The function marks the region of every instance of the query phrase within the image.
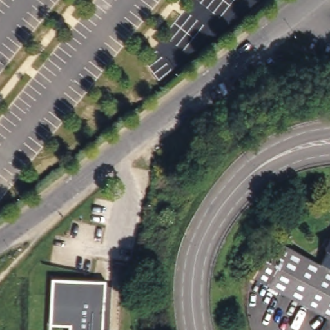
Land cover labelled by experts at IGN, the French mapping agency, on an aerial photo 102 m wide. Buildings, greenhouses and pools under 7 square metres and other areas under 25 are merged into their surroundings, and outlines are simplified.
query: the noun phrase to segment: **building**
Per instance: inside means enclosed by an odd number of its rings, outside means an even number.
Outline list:
[[[300,257],[289,249],[282,255],[280,262],[266,262],[266,269],[255,271],[250,278],[250,282],[253,282],[254,278],[262,278],[263,287],[268,290],[277,285],[282,294],[294,298],[291,308],[295,309],[299,304],[302,307],[300,311],[304,313],[313,308],[317,315],[324,315],[330,321],[330,242],[326,247],[324,262],[321,264]]]
[[[107,282],[103,281],[52,280],[49,330],[104,330]]]

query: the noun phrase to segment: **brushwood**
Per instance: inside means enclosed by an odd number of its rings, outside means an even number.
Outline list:
[[[67,173],[66,170],[59,169],[53,171],[37,188],[39,192],[45,192]]]
[[[22,284],[18,294],[21,300],[21,327],[18,330],[30,330],[30,291],[27,284]]]
[[[147,249],[156,251],[162,259],[161,266],[157,268],[157,282],[164,284],[162,290],[166,293],[173,293],[175,258],[189,222],[223,171],[245,151],[232,139],[220,143],[215,156],[205,157],[200,162],[208,165],[208,174],[205,175],[204,182],[199,180],[196,184],[175,187],[171,186],[165,177],[160,166],[156,165],[155,169],[150,170],[148,186],[139,211],[139,222],[144,227],[143,244]]]

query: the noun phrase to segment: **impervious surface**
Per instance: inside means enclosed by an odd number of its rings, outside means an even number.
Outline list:
[[[93,0],[95,13],[92,18],[85,21],[73,17],[75,6],[63,3],[62,0],[0,0],[0,75],[19,50],[24,48],[30,55],[0,92],[0,214],[6,206],[17,204],[37,188],[53,171],[59,169],[57,159],[44,150],[44,144],[50,142],[62,126],[62,120],[75,112],[75,107],[84,99],[86,92],[92,92],[94,80],[98,80],[103,73],[104,67],[115,62],[113,57],[124,49],[122,43],[128,40],[128,37],[133,37],[135,32],[141,32],[156,50],[156,62],[152,66],[152,70],[157,73],[157,81],[162,80],[165,85],[174,80],[179,73],[184,73],[184,79],[170,88],[171,92],[162,98],[156,111],[143,110],[133,116],[124,117],[121,121],[124,122],[125,128],[117,130],[116,126],[111,133],[99,137],[97,146],[81,151],[77,156],[79,173],[67,173],[45,192],[39,192],[39,206],[28,208],[28,205],[24,205],[21,208],[21,218],[17,222],[0,227],[0,282],[30,253],[41,236],[75,209],[97,186],[106,188],[107,177],[119,175],[125,186],[124,195],[115,201],[102,199],[95,200],[92,206],[92,220],[81,222],[79,226],[72,223],[71,235],[55,236],[50,262],[80,268],[82,271],[102,273],[103,281],[107,282],[104,330],[117,330],[120,327],[119,293],[124,289],[120,282],[122,272],[138,257],[138,249],[143,244],[144,227],[139,222],[139,211],[148,186],[150,170],[152,153],[156,144],[160,142],[161,134],[174,129],[177,121],[187,120],[202,107],[213,103],[219,93],[226,95],[233,82],[250,75],[255,67],[266,66],[272,72],[273,79],[280,81],[291,67],[295,67],[295,70],[308,70],[320,64],[330,64],[330,0],[298,0],[293,4],[282,4],[275,21],[260,17],[259,30],[255,34],[238,32],[236,37],[241,43],[229,53],[224,48],[219,49],[218,63],[214,67],[206,68],[200,64],[196,68],[193,62],[196,59],[200,59],[214,44],[219,43],[220,39],[240,27],[246,18],[254,17],[262,9],[271,9],[275,0]],[[59,43],[40,67],[35,70],[32,67],[32,63],[39,58],[36,54],[39,52],[41,40],[49,30],[43,24],[45,19],[55,19],[59,26],[64,27],[68,24],[71,27],[73,39],[70,43]],[[4,98],[12,92],[22,73],[26,73],[30,79],[12,103],[8,104]]]
[[[317,232],[316,255],[293,244],[287,245],[289,249],[300,257],[321,264],[324,262],[326,247],[330,242],[330,226]]]
[[[330,321],[324,315],[317,315],[313,308],[304,313],[300,311],[302,307],[299,304],[295,309],[291,308],[294,298],[282,294],[277,285],[268,290],[263,287],[262,278],[254,278],[253,282],[250,282],[246,284],[244,294],[245,311],[249,325],[246,330],[330,330]]]
[[[298,122],[290,126],[286,133],[267,137],[267,142],[258,152],[245,151],[223,171],[189,222],[175,258],[173,293],[177,330],[214,330],[214,309],[210,308],[210,300],[215,264],[233,224],[238,224],[242,218],[241,209],[249,206],[254,210],[257,200],[263,197],[269,182],[290,182],[298,174],[304,177],[307,173],[317,173],[318,168],[330,166],[330,112],[321,119]]]

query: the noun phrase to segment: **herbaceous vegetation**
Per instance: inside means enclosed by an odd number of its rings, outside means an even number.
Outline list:
[[[244,271],[244,267],[238,266],[244,258],[233,259],[238,246],[244,240],[238,231],[238,224],[233,224],[215,264],[210,300],[210,308],[214,309],[219,300],[236,296],[240,311],[245,311],[244,294],[246,284],[250,282],[250,278],[242,278],[242,286],[238,287],[235,278],[229,275],[231,269],[237,272]]]
[[[327,191],[330,192],[330,166],[318,168],[317,173],[307,173],[304,177],[302,183],[306,186],[306,202],[299,208],[299,213],[302,214],[299,223],[307,223],[311,231],[304,235],[298,228],[291,229],[290,238],[293,244],[316,255],[317,232],[330,226],[330,209],[309,213],[309,209],[313,205],[312,193],[315,183],[324,186],[326,183]]]
[[[156,165],[160,166],[165,177],[175,174],[178,165],[186,160],[191,151],[196,129],[193,128],[191,121],[200,117],[204,111],[215,110],[213,103],[202,107],[187,120],[177,121],[174,129],[161,134],[160,142],[156,144],[152,153],[150,170],[155,169]]]
[[[41,40],[39,52],[36,54],[39,58],[32,63],[32,67],[35,70],[40,67],[59,43],[54,37],[55,31],[49,30]]]
[[[0,75],[0,92],[30,55],[24,48],[19,50]]]
[[[116,99],[117,108],[113,115],[95,111],[95,106],[90,106],[84,99],[75,107],[75,112],[84,117],[80,129],[75,133],[68,133],[62,126],[50,142],[44,144],[44,150],[57,159],[63,155],[77,156],[81,151],[97,146],[99,137],[111,133],[116,126],[117,130],[125,128],[124,122],[121,121],[124,117],[133,116],[143,110],[156,111],[162,98],[171,92],[170,88],[184,79],[184,73],[179,73],[174,80],[165,85],[162,80],[157,81],[157,73],[152,70],[152,66],[141,66],[137,55],[124,49],[113,57],[115,62],[128,73],[129,84],[133,85],[133,88],[126,89],[122,94],[117,89],[119,82],[108,79],[103,73],[98,80],[94,80],[92,92],[101,92],[97,104]]]
[[[26,73],[22,73],[12,92],[4,98],[8,104],[12,103],[30,79]]]
[[[79,226],[81,222],[92,220],[92,206],[95,200],[102,199],[106,188],[97,186],[75,209],[41,236],[30,253],[0,282],[0,330],[18,330],[21,327],[21,300],[18,294],[22,284],[27,284],[30,291],[30,330],[49,330],[52,280],[103,281],[102,273],[82,271],[80,268],[50,262],[55,236],[71,235],[72,223]]]

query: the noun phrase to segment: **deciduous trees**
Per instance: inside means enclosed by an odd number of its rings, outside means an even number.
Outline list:
[[[95,106],[95,111],[113,115],[117,108],[116,99],[97,104],[101,92],[92,92],[86,92],[84,99],[90,106]]]
[[[124,195],[125,186],[119,175],[107,177],[106,188],[102,199],[115,201]]]
[[[75,133],[80,129],[84,117],[75,112],[62,120],[62,126],[68,133]]]
[[[57,159],[59,169],[66,170],[67,173],[79,173],[77,156],[63,155]]]
[[[162,259],[156,251],[147,249],[143,244],[138,249],[138,257],[122,272],[120,282],[124,289],[119,293],[120,327],[117,330],[177,330],[173,293],[166,293],[162,290],[164,284],[157,282],[157,268],[161,266]]]
[[[236,37],[238,32],[255,34],[259,30],[260,17],[275,21],[282,4],[293,4],[298,0],[275,0],[271,9],[262,9],[254,17],[246,18],[240,27],[220,39],[219,43],[214,44],[200,59],[196,59],[193,62],[196,68],[200,64],[206,68],[214,67],[218,63],[219,49],[224,48],[229,53],[241,43]]]
[[[141,66],[152,66],[156,62],[156,50],[141,32],[135,32],[133,37],[128,37],[128,40],[122,43],[124,49],[137,55]]]
[[[73,39],[71,27],[68,24],[64,27],[59,26],[55,19],[45,19],[43,24],[49,30],[55,31],[54,37],[59,43],[70,43]]]
[[[214,330],[246,330],[249,325],[245,311],[240,311],[236,296],[219,300],[214,309]]]
[[[326,183],[324,186],[315,183],[312,193],[313,205],[309,209],[309,213],[330,209],[330,192],[327,191]]]
[[[290,126],[298,122],[321,119],[330,112],[330,64],[320,64],[308,70],[295,70],[295,67],[291,67],[280,81],[273,79],[272,72],[266,66],[255,67],[250,75],[233,82],[226,95],[219,93],[213,103],[215,110],[204,111],[200,117],[191,121],[193,128],[196,129],[191,151],[186,160],[178,165],[175,174],[165,177],[171,186],[175,187],[196,184],[199,180],[204,182],[205,175],[208,174],[208,165],[200,162],[205,157],[215,156],[220,143],[232,139],[245,151],[258,152],[267,142],[267,137],[286,133]]]
[[[133,85],[129,84],[128,73],[115,62],[104,67],[103,73],[108,79],[119,82],[117,89],[122,94],[126,89],[133,88]]]
[[[21,218],[21,208],[24,205],[28,205],[28,208],[39,206],[39,192],[37,188],[17,204],[6,206],[0,214],[0,227],[17,222]]]
[[[304,177],[298,174],[290,182],[269,182],[263,197],[257,200],[254,210],[249,206],[241,209],[242,218],[238,224],[238,231],[244,240],[238,246],[233,259],[244,258],[238,266],[244,267],[244,271],[237,272],[231,269],[229,275],[235,278],[238,287],[242,286],[242,278],[250,278],[255,271],[266,269],[266,262],[280,262],[282,255],[289,249],[287,245],[293,244],[290,238],[291,229],[298,228],[304,235],[311,231],[307,223],[299,223],[302,214],[299,213],[299,208],[306,202],[306,186],[302,183]]]
[[[73,17],[85,21],[92,18],[95,13],[93,0],[62,0],[63,3],[75,6]]]

